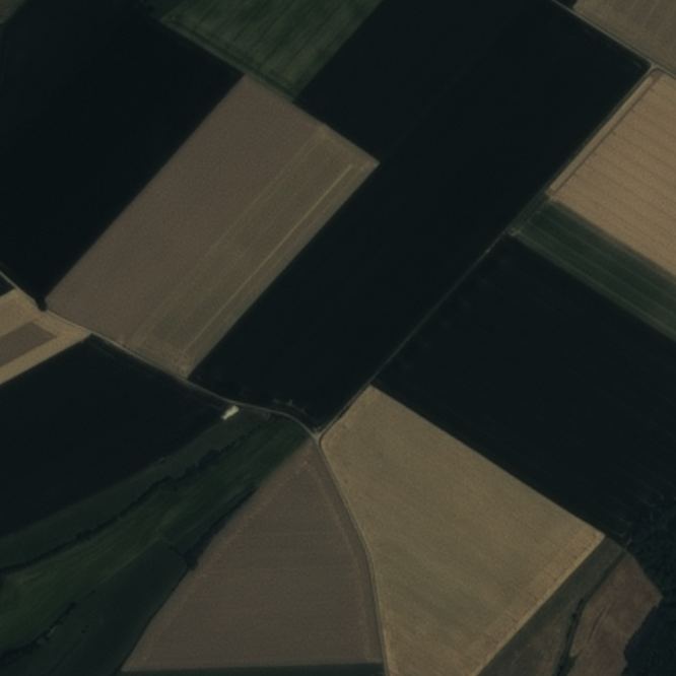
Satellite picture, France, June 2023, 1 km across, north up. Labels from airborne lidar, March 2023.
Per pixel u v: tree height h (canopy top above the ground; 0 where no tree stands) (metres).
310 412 0
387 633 0
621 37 0
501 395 0
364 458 0
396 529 0
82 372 0
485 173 0
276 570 0
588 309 0
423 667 0
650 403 0
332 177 0
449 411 0
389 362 0
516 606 0
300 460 0
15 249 0
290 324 0
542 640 0
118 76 0
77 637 0
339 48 0
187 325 0
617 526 0
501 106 0
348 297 0
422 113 0
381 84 0
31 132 0
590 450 0
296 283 0
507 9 0
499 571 0
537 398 0
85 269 0
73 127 0
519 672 0
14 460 0
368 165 0
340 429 0
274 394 0
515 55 0
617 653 0
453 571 0
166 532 0
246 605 0
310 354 0
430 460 0
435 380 0
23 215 0
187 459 0
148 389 0
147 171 0
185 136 0
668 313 0
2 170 0
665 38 0
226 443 0
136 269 0
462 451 0
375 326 0
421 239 0
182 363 0
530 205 0
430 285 0
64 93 0
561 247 0
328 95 0
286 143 0
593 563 0
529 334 0
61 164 0
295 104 0
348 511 0
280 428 0
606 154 0
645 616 0
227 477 0
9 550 0
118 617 0
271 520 0
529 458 0
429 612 0
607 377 0
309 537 0
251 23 0
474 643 0
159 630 0
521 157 0
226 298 0
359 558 0
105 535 0
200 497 0
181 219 0
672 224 0
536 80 0
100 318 0
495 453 0
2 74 0
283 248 0
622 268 0
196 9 0
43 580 0
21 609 0
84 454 0
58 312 0
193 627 0
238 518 0
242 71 0
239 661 0
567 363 0
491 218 0
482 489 0
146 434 0
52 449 0
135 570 0
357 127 0
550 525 0
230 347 0
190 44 0
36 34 0
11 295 0
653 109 0
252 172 0
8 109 0
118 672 0
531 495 0
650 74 0
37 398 0
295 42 0
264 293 0
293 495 0
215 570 0
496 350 0
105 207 0
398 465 0
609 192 0
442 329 0
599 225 0
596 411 0
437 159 0
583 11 0
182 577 0
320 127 0
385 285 0
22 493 0
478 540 0
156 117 0
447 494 0
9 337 0
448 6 0
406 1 0
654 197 0
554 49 0
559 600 0
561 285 0
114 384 0
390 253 0
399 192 0
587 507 0
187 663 0
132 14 0
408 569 0
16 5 0
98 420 0
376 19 0
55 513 0
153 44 0
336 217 0
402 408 0
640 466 0
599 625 0
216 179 0
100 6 0
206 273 0
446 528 0
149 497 9
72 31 0
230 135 0
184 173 0
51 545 0
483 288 0
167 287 0
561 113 0
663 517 23
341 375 0
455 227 0
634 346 0
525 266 0
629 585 0
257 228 0
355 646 0
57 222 0
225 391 0
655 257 0
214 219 0
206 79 0
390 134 0
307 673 0
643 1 0
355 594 0
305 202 0
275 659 0
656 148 0
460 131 0
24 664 0
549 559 0
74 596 0
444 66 0
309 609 0
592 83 0
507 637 0
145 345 0
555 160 0
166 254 0
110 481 0
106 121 0
